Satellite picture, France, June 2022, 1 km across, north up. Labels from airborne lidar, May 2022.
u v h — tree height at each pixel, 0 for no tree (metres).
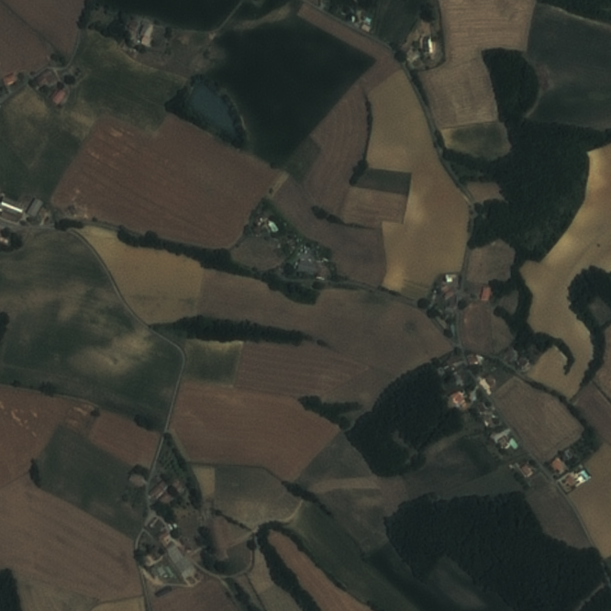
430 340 0
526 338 11
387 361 0
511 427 0
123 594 0
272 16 0
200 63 0
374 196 0
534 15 0
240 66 0
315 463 0
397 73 0
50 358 0
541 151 14
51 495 0
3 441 0
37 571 0
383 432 11
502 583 19
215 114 0
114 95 0
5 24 0
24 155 0
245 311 0
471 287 0
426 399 18
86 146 0
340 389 0
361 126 0
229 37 0
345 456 0
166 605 0
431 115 0
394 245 0
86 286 0
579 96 0
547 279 0
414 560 16
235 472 0
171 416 0
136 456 0
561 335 0
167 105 12
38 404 0
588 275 19
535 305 0
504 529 23
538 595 19
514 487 0
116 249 0
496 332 0
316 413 9
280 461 0
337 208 0
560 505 0
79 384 0
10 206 0
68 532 0
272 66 0
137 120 0
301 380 0
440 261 0
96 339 0
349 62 0
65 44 0
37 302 0
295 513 0
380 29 0
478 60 0
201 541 23
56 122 0
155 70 0
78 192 0
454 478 0
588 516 0
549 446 0
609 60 0
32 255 0
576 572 18
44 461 0
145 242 16
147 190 0
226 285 0
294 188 0
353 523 0
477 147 0
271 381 0
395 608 0
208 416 0
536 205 14
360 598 0
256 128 0
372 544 0
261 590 0
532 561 14
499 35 0
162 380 0
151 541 0
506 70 5
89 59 0
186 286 0
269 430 0
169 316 0
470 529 13
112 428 0
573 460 8
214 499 0
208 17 0
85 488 0
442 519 16
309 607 13
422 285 0
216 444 0
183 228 0
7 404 0
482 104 0
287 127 0
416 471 9
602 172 0
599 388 7
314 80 0
